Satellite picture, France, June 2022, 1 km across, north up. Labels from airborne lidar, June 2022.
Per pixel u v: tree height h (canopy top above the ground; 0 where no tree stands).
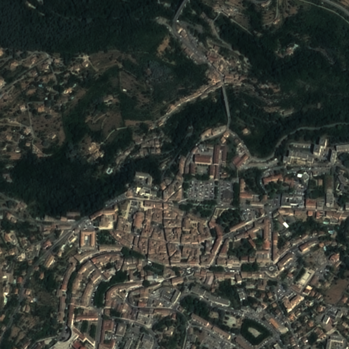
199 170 0
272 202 0
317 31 12
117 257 0
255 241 9
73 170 10
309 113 10
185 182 7
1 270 0
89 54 10
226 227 16
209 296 0
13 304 7
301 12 7
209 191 0
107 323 0
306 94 8
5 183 15
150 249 0
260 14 6
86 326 9
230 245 8
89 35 14
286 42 12
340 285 0
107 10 15
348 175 8
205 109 26
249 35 14
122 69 8
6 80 8
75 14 10
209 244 0
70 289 14
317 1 7
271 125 13
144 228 0
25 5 14
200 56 0
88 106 9
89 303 0
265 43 34
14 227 10
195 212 7
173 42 8
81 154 7
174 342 9
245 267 18
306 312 12
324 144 0
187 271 0
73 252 0
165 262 0
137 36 11
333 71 13
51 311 9
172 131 10
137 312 0
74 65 11
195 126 16
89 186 16
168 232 0
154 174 14
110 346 0
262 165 0
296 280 7
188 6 9
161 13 12
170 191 0
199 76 6
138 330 0
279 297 0
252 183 10
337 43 7
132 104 6
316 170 0
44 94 6
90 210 10
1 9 13
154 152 5
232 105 14
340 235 8
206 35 8
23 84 0
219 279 0
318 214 0
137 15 10
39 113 7
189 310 12
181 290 10
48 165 16
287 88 9
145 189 0
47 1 22
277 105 13
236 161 0
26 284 11
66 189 25
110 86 10
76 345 0
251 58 18
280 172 14
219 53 6
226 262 0
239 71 6
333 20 8
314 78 10
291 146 13
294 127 8
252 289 10
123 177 21
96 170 14
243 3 11
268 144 15
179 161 14
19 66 5
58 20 12
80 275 0
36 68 6
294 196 0
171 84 8
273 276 0
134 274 10
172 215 0
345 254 23
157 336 11
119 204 6
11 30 25
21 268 8
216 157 0
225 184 0
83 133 16
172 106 0
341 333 6
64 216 20
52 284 13
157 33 8
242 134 11
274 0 8
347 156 16
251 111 15
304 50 10
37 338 12
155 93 11
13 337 9
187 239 0
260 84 6
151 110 6
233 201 11
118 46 7
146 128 8
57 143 9
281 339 8
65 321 11
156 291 0
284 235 6
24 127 8
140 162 15
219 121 8
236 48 15
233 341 8
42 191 18
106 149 12
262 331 8
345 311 0
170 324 15
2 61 10
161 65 7
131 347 9
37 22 15
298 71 12
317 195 16
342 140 11
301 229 20
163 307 0
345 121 6
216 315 0
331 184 0
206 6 10
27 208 6
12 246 11
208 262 0
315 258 0
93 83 6
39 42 20
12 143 9
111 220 0
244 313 0
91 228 0
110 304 0
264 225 0
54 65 8
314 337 8
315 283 0
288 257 0
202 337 0
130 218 0
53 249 7
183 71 7
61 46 14
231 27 16
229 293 12
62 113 7
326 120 12
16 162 10
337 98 8
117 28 13
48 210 8
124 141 7
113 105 13
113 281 15
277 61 21
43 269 6
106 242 9
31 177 14
